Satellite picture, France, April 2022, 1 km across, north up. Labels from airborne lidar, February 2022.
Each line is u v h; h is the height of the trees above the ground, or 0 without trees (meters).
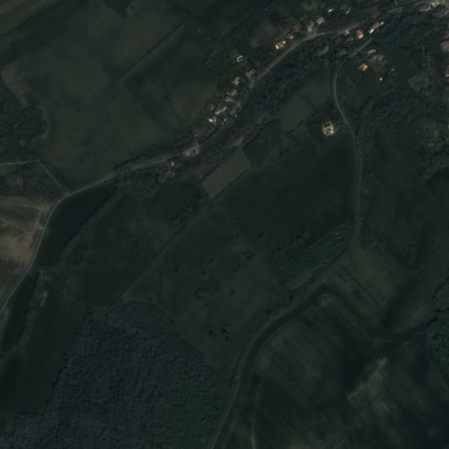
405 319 0
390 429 0
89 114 0
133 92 0
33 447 19
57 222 0
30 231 0
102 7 0
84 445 12
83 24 0
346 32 0
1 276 0
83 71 0
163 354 19
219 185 0
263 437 0
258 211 0
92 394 14
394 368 0
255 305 0
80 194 0
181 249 0
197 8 0
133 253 0
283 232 0
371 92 0
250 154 6
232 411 0
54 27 0
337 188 0
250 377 0
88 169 0
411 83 0
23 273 0
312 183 0
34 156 15
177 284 0
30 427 21
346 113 0
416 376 0
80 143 0
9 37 0
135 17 0
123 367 9
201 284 0
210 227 0
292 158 0
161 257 0
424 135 15
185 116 0
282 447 0
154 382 20
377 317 0
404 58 0
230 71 0
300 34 6
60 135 0
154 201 0
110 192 0
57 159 0
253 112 6
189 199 0
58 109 0
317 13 0
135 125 0
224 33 0
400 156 0
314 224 0
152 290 0
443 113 18
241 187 0
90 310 9
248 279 0
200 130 10
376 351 0
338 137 0
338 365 0
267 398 0
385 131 0
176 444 8
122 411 18
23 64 0
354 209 0
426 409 0
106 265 0
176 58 0
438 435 0
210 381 13
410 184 0
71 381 17
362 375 0
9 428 14
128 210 0
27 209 0
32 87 0
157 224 0
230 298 0
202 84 0
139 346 17
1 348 0
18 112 18
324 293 0
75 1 0
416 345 0
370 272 0
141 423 20
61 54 0
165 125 0
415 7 15
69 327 0
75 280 0
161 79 0
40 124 5
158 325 7
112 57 0
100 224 0
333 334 0
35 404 0
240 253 0
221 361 0
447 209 0
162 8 0
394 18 15
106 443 14
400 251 0
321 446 0
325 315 0
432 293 0
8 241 0
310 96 0
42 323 0
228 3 0
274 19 9
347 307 0
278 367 0
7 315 0
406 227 0
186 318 0
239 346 0
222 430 0
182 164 24
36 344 0
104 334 16
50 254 0
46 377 0
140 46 0
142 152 0
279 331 0
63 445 17
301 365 0
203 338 0
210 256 0
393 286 0
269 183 0
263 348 0
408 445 0
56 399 12
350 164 0
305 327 0
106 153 0
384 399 0
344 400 0
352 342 0
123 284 0
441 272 0
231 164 0
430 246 0
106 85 0
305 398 0
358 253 0
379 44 8
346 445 0
